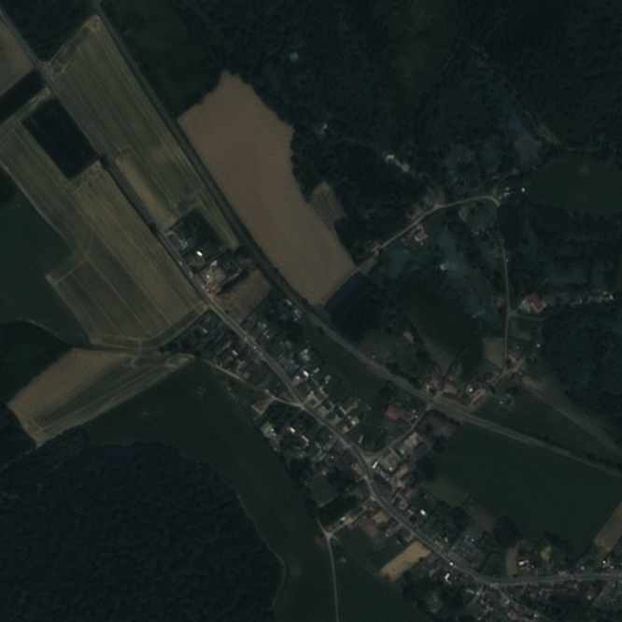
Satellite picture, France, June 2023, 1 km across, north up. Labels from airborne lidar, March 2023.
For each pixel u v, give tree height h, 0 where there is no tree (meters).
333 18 36
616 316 10
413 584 17
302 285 0
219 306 0
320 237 0
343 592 0
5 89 0
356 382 0
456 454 0
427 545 0
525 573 0
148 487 31
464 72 12
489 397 0
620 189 0
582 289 18
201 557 28
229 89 0
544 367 0
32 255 0
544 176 0
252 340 0
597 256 21
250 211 0
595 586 6
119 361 0
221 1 12
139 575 26
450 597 11
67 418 0
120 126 0
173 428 0
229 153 0
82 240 0
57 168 0
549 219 37
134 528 23
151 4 0
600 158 18
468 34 9
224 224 0
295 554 0
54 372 0
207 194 0
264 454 0
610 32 7
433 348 0
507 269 0
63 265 0
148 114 0
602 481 0
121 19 0
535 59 13
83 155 0
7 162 0
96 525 27
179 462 28
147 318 0
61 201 0
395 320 12
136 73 0
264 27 17
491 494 0
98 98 0
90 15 0
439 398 0
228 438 0
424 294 0
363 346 0
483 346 0
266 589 16
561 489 0
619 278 0
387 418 0
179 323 0
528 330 0
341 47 32
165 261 0
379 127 38
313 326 0
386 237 6
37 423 0
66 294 0
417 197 9
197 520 30
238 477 0
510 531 33
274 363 0
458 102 7
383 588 0
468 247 13
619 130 17
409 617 0
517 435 0
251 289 0
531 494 0
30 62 0
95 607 24
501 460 0
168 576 29
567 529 0
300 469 17
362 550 0
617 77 8
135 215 0
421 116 12
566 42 9
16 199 0
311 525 0
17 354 6
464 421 0
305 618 0
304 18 35
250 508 0
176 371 0
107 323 0
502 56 15
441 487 0
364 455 0
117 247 0
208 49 0
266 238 0
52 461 6
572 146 10
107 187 0
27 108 0
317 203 0
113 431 0
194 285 0
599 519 0
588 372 7
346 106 36
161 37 0
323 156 9
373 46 8
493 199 0
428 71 0
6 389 11
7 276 0
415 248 0
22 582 30
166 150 0
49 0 13
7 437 12
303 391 0
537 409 0
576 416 0
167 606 20
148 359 0
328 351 0
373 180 34
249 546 28
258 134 0
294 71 24
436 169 31
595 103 9
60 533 20
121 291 0
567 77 12
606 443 0
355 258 6
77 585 25
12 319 0
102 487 33
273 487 0
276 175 0
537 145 0
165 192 0
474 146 18
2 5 0
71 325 0
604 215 0
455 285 0
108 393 0
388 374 0
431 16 0
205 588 31
